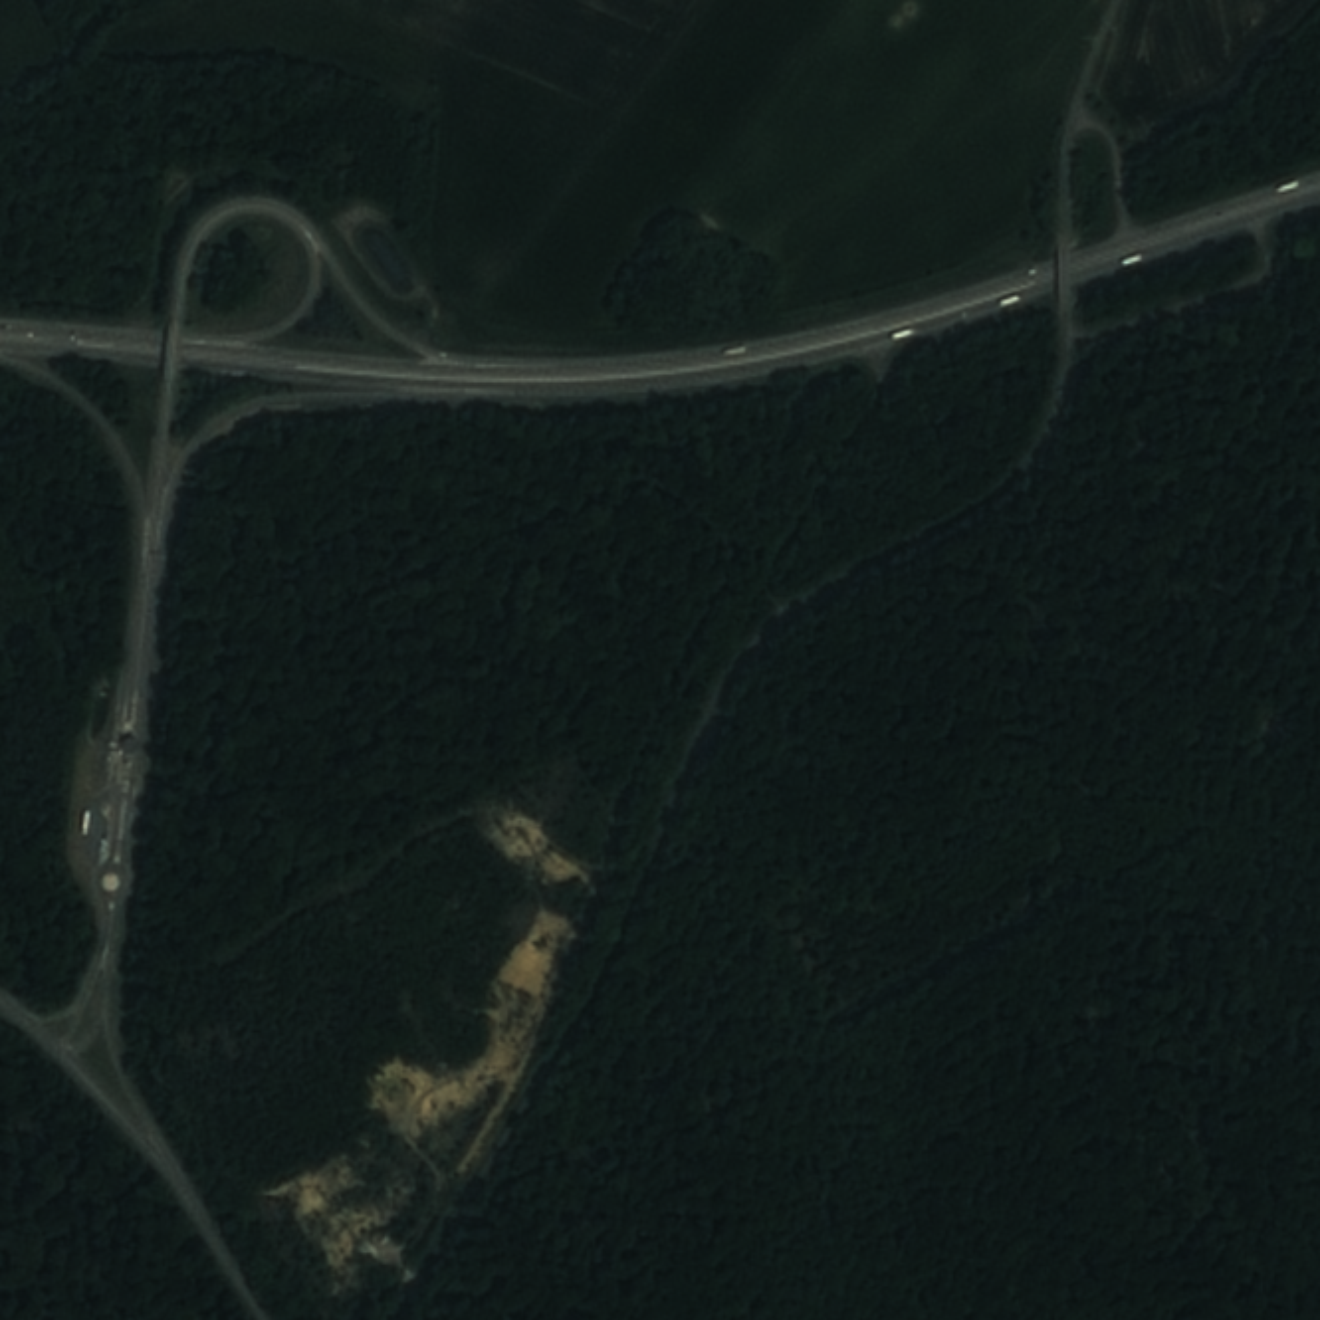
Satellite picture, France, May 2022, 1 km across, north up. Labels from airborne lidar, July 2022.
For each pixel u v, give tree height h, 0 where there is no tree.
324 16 0
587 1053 22
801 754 23
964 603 23
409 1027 7
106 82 19
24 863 25
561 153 0
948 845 16
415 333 0
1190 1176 27
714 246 23
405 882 6
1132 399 14
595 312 0
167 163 19
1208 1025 29
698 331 24
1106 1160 26
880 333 0
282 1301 25
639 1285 26
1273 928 23
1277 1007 26
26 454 24
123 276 22
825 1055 23
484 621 23
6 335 0
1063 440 18
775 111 0
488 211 0
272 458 28
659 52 0
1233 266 22
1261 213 0
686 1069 20
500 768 18
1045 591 25
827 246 0
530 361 0
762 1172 24
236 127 22
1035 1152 27
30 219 21
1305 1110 26
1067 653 29
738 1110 26
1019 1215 26
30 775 18
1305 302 27
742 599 16
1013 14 0
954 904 9
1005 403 25
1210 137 25
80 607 22
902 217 0
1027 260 0
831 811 25
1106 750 20
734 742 24
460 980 10
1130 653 24
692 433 24
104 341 0
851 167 0
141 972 24
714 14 0
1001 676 28
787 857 20
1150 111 0
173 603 19
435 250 0
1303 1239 20
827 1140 19
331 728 24
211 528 24
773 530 22
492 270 0
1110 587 24
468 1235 24
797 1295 22
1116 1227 27
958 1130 24
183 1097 9
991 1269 27
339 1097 13
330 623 18
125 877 0
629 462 21
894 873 18
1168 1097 27
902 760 25
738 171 0
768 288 24
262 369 0
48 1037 0
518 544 17
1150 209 17
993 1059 25
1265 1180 24
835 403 23
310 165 14
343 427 21
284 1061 9
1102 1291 27
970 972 19
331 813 24
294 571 21
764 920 16
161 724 19
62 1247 23
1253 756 20
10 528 20
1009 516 26
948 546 25
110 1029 0
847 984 10
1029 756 25
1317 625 25
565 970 21
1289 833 21
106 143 22
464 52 0
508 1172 11
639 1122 19
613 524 25
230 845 25
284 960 8
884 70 0
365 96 10
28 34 0
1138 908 23
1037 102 0
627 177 0
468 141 0
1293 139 19
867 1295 23
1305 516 27
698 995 22
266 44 0
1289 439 26
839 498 26
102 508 25
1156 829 12
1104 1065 26
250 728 28
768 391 13
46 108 22
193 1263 23
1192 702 26
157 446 0
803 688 20
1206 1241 27
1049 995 26
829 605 24
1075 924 27
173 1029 9
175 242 14
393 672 26
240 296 22
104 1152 26
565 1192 18
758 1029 25
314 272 0
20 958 8
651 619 25
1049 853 12
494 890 11
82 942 13
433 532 23
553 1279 19
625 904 13
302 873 22
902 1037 22
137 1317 23
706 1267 21
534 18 0
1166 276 21
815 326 0
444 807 20
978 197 0
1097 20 0
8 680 14
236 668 24
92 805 0
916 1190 25
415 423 17
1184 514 27
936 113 0
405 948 10
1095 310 17
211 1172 21
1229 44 0
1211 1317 28
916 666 24
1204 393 26
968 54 0
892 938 8
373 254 0
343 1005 9
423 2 0
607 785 20
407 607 23
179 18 0
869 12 0
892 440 23
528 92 0
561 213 0
